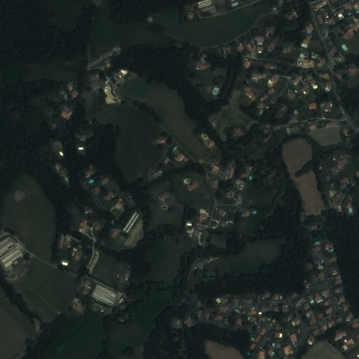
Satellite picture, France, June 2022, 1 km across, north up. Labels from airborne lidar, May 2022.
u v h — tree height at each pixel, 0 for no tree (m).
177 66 24
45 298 0
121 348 0
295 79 0
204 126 19
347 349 0
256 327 8
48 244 0
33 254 0
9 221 0
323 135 0
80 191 17
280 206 16
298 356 11
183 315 14
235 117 0
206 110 21
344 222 23
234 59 20
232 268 0
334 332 15
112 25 0
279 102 14
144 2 16
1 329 0
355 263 23
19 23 26
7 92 16
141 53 16
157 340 22
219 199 14
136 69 14
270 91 0
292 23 10
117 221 13
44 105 0
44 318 0
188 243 0
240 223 0
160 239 12
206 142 0
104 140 19
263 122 18
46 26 12
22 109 14
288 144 0
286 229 17
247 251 0
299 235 22
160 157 0
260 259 0
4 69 0
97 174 12
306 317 12
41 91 11
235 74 23
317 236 20
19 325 0
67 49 15
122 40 0
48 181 22
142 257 18
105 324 17
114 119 0
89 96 0
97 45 0
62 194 14
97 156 20
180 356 10
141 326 0
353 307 14
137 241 0
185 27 0
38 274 0
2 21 24
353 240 26
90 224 9
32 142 21
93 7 13
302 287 21
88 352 0
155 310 0
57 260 12
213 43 0
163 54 20
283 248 19
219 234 13
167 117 0
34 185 0
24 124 7
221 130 0
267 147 0
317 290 0
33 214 0
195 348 21
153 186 9
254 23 0
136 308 11
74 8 0
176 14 0
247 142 11
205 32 0
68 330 0
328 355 0
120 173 19
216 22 0
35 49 26
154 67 21
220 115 0
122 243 0
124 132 0
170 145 11
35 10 14
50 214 0
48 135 17
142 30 0
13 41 10
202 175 19
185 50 19
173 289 16
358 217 15
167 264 0
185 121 0
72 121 13
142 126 0
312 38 6
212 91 0
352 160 0
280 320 12
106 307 9
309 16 20
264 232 14
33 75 0
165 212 0
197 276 11
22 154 24
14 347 0
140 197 22
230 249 9
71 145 18
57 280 0
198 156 0
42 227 0
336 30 0
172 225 9
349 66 15
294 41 20
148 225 16
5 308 0
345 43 0
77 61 0
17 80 0
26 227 0
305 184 0
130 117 0
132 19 16
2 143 21
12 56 20
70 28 0
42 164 11
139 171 0
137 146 0
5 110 21
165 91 0
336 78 9
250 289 13
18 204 0
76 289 0
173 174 8
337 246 10
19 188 0
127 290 11
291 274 29
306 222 14
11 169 10
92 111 0
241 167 12
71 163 21
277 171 8
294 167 0
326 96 17
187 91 21
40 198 0
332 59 0
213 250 22
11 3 24
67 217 21
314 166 10
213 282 9
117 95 0
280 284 24
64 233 18
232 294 14
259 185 11
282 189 10
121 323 12
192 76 18
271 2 7
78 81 10
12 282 0
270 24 7
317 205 0
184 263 15
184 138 0
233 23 0
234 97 0
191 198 0
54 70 0
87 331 0
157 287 22
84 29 18
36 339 0
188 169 18
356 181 11
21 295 10
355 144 16
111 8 7
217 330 15
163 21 0
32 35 23
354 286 19
